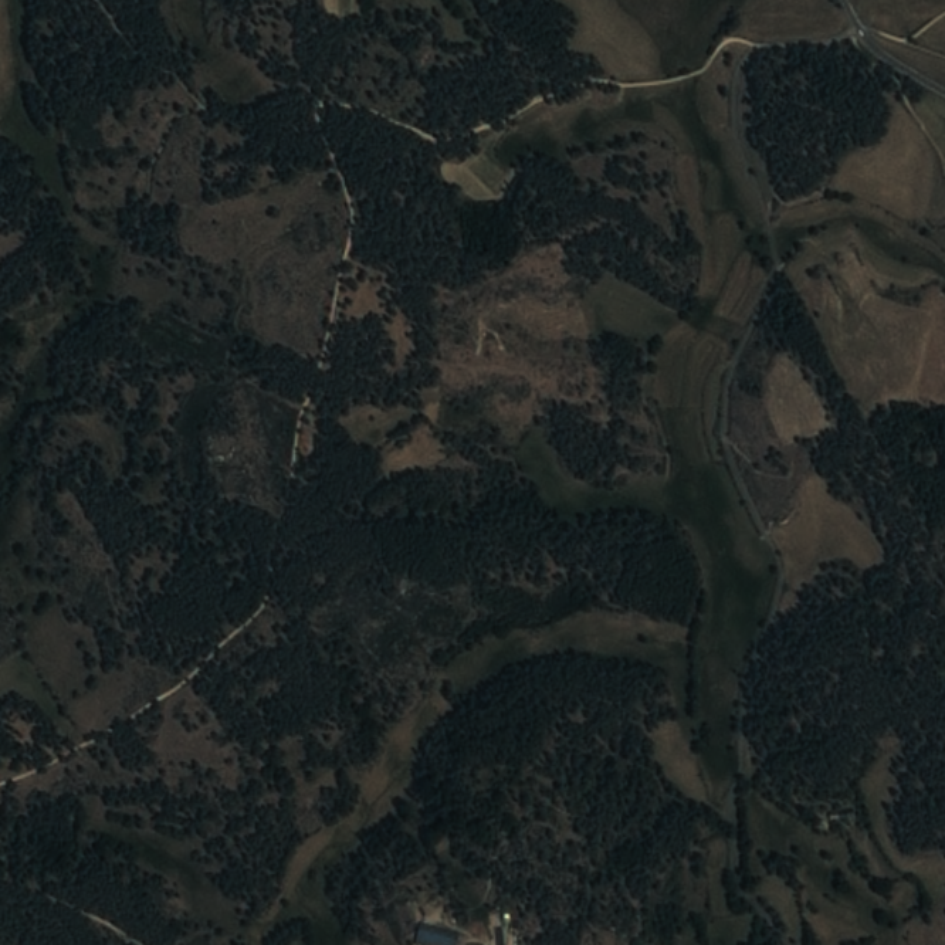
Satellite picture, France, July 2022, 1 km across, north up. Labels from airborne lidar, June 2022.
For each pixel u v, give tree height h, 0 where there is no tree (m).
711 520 0
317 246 0
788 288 19
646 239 13
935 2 0
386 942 0
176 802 18
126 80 16
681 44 0
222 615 17
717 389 0
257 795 13
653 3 0
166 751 0
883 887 18
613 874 11
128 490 15
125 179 0
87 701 0
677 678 0
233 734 11
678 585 13
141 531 7
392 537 22
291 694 13
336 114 18
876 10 0
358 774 0
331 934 0
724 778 0
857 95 20
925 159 0
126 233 9
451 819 16
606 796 11
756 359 0
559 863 10
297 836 12
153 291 0
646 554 15
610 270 21
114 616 12
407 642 6
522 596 9
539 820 10
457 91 18
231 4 17
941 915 0
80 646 12
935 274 0
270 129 25
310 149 24
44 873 13
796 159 18
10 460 0
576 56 16
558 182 21
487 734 15
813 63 17
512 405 0
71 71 23
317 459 20
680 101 0
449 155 18
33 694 0
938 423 21
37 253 17
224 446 0
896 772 18
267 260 0
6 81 0
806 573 0
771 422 0
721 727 0
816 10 0
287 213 0
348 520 14
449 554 16
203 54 16
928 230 13
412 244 19
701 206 0
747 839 19
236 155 22
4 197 14
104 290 0
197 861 10
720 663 0
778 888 0
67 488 10
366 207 19
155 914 15
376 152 17
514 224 8
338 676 13
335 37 19
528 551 14
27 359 0
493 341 0
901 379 0
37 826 19
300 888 0
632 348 17
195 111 11
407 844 17
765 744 8
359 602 0
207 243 0
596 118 0
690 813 12
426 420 12
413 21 18
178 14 0
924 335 0
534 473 0
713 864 0
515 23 23
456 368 0
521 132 0
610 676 22
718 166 0
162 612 18
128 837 0
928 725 17
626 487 0
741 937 0
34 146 0
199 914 0
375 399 16
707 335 0
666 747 0
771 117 19
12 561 0
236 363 14
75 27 19
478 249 7
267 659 15
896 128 0
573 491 0
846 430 15
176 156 0
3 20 0
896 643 18
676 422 0
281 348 16
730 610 0
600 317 0
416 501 16
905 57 0
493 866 8
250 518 15
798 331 18
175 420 15
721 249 0
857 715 18
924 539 12
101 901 19
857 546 0
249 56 19
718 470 0
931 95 0
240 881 11
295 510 17
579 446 10
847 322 0
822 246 0
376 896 15
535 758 11
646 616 7
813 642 16
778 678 20
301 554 11
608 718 18
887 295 0
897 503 16
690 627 9
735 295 0
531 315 0
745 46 0
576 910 8
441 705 0
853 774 7
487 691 21
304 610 12
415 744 0
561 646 0
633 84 0
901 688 22
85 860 11
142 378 20
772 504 0
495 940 0
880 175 0
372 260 17
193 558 16
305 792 0
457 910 14
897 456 20
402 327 0
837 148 18
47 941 15
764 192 0
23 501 0
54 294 8
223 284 0
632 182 15
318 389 21
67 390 20
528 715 15
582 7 0
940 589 15
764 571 0
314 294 0
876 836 6
